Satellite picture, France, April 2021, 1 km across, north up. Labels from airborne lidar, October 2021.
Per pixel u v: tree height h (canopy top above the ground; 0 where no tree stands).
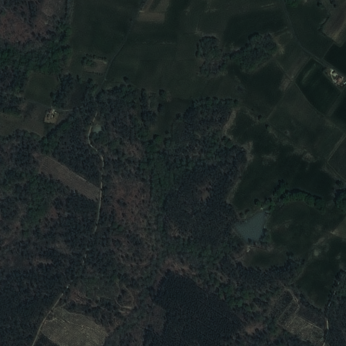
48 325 0
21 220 19
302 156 0
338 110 0
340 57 0
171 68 0
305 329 0
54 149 21
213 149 18
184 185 13
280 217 0
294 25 0
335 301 22
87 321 0
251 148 0
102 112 20
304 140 0
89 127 19
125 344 13
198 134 27
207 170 28
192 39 0
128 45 0
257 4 0
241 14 0
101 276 11
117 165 27
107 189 13
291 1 24
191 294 18
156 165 25
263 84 0
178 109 0
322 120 0
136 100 8
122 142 22
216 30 0
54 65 19
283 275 24
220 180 0
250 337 10
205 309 19
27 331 24
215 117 21
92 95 15
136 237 9
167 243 20
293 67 0
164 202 20
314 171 0
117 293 15
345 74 0
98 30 0
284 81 0
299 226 0
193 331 19
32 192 23
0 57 23
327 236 0
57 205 13
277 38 0
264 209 20
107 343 15
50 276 23
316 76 0
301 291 15
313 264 0
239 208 0
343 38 0
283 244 0
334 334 22
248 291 15
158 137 15
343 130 0
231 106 18
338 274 0
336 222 0
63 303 12
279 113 0
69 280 19
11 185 16
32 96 0
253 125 0
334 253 0
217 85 0
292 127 0
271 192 0
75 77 0
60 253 15
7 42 10
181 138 12
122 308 6
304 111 0
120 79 0
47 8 0
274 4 0
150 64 0
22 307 22
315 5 0
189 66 0
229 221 0
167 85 0
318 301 0
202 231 0
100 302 13
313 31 0
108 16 0
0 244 14
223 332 18
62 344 0
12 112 18
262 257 0
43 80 0
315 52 0
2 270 12
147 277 19
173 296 18
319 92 0
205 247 16
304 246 0
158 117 21
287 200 24
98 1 0
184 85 0
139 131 20
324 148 0
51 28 14
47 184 29
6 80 18
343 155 0
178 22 0
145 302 12
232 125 0
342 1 0
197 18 0
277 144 0
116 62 0
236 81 0
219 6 0
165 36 0
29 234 17
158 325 6
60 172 0
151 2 0
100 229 6
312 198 20
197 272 19
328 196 0
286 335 12
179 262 14
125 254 13
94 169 23
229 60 10
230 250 23
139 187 9
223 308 18
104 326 19
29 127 0
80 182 0
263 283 21
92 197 0
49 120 0
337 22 0
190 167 26
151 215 18
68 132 14
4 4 14
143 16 0
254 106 0
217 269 14
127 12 0
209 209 0
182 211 24
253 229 0
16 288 10
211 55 18
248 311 22
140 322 16
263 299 16
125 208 19
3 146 12
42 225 21
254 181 0
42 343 8
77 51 0
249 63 22
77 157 20
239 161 0
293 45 0
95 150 14
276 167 0
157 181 26
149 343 19
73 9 15
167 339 19
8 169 14
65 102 27
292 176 0
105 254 10
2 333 19
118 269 8
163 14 0
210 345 18
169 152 16
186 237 0
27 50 21
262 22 0
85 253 16
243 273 26
